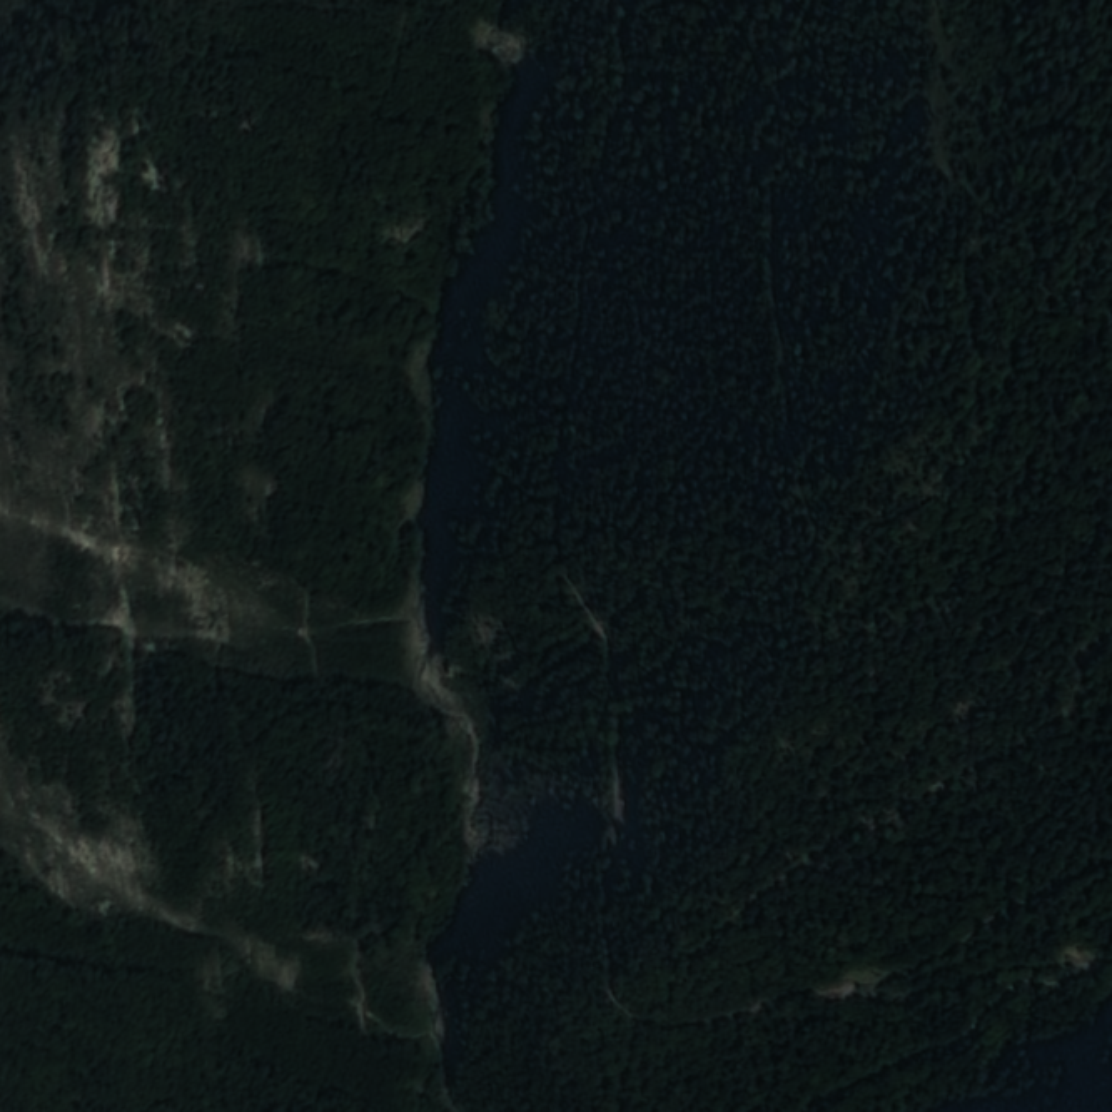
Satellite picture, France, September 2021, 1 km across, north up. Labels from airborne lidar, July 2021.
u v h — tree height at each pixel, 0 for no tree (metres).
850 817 34
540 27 9
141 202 7
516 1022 24
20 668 14
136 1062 14
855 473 23
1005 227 17
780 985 12
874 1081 15
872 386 18
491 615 8
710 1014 17
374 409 24
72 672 12
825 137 23
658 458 19
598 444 30
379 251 25
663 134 20
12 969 28
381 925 25
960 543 22
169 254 12
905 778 28
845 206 10
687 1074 13
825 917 22
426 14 7
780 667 19
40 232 0
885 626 28
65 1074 15
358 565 26
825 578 19
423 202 25
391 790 12
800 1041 27
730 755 15
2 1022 22
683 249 14
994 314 23
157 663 9
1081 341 17
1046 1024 22
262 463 12
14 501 0
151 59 30
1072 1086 16
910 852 27
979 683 23
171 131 16
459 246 36
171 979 12
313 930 27
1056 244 18
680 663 20
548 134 24
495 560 24
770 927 34
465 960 19
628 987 16
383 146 20
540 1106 20
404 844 17
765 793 18
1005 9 7
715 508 23
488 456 26
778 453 8
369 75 20
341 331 25
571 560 19
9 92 8
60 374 9
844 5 29
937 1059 17
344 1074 19
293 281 25
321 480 22
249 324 13
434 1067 13
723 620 18
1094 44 8
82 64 11
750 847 25
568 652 24
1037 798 24
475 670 19
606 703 26
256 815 8
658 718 9
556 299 24
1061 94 40
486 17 16
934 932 23
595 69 24
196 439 14
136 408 14
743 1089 27
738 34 13
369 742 13
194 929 0
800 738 16
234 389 11
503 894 13
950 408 20
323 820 23
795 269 11
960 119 7
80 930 12
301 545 28
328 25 14
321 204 25
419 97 17
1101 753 31
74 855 0
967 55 6
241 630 0
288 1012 12
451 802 26
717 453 27
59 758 7
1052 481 26
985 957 26
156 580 0
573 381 19
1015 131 11
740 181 10
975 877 28
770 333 13
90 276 0
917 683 22
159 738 29
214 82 18
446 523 21
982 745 23
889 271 20
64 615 7
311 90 24
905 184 15
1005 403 27
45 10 9
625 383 26
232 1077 20
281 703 19
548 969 25
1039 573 25
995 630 28
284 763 24
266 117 23
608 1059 22
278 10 12
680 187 18
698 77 13
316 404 16
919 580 16
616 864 19
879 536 18
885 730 20
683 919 22
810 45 10
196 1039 18
